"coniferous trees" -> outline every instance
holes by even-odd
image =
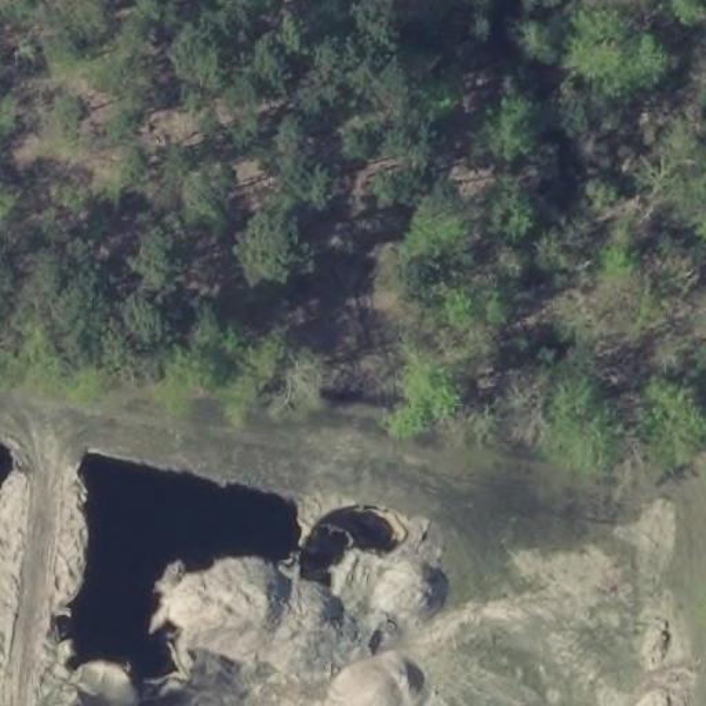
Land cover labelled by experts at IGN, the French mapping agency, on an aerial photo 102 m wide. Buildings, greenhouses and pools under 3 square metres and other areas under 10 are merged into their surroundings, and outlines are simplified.
[[[706,576],[689,596],[689,609],[700,618],[700,632],[706,637]]]
[[[596,91],[607,97],[621,94],[626,88],[659,83],[659,77],[667,72],[667,52],[648,33],[651,19],[659,11],[665,17],[678,17],[684,25],[698,22],[703,17],[700,0],[637,0],[643,6],[626,22],[618,19],[615,8],[596,14],[587,6],[574,22],[576,39],[571,41],[571,50],[554,50],[546,39],[546,30],[538,22],[524,25],[524,47],[535,58],[546,63],[574,66],[593,83]]]
[[[116,171],[108,177],[97,177],[99,190],[108,199],[119,199],[124,190],[135,190],[143,199],[149,199],[143,204],[143,212],[138,212],[138,229],[143,232],[141,248],[127,262],[130,270],[141,273],[138,290],[132,295],[127,295],[116,284],[116,273],[108,265],[108,251],[99,248],[99,243],[108,234],[108,223],[88,207],[88,199],[77,188],[66,185],[61,190],[61,201],[80,218],[66,232],[61,232],[55,215],[44,210],[39,232],[44,237],[52,237],[55,243],[47,254],[41,254],[33,262],[28,284],[11,276],[6,265],[6,259],[17,251],[19,240],[11,243],[0,234],[0,350],[11,350],[14,356],[19,356],[25,350],[25,323],[41,323],[44,336],[61,364],[72,359],[77,364],[77,372],[94,367],[108,370],[113,375],[119,372],[119,381],[127,381],[132,386],[157,386],[165,378],[165,364],[174,361],[174,353],[182,347],[201,359],[201,372],[212,375],[212,386],[229,386],[232,381],[237,381],[237,367],[248,359],[248,350],[254,345],[243,342],[234,328],[221,328],[207,301],[193,301],[193,290],[179,284],[182,265],[165,256],[174,240],[179,237],[179,226],[185,226],[190,218],[199,221],[215,215],[218,199],[226,199],[229,188],[237,182],[237,171],[229,171],[226,165],[196,171],[190,165],[185,143],[168,146],[163,188],[149,179],[146,163],[135,146],[121,152],[116,149]]]
[[[585,301],[554,298],[563,323],[554,331],[560,336],[574,339],[574,347],[565,353],[546,347],[541,350],[541,367],[510,370],[510,392],[507,397],[499,397],[494,403],[491,414],[463,411],[458,405],[455,392],[469,378],[494,370],[488,331],[496,323],[505,323],[507,317],[502,295],[521,276],[521,265],[513,248],[532,223],[532,207],[521,193],[518,177],[491,174],[491,182],[499,185],[499,199],[491,207],[491,237],[499,256],[485,268],[477,265],[472,256],[466,223],[450,212],[450,199],[461,199],[458,182],[447,174],[436,188],[425,185],[433,127],[441,113],[458,108],[466,113],[463,130],[474,138],[472,146],[477,154],[494,152],[499,157],[516,157],[530,149],[530,138],[535,138],[549,124],[563,124],[565,132],[585,130],[587,113],[576,99],[574,85],[565,83],[560,83],[560,88],[549,99],[527,102],[516,91],[513,80],[505,77],[502,105],[483,108],[472,102],[463,77],[452,83],[450,77],[447,85],[430,83],[422,72],[427,69],[430,58],[414,55],[411,50],[397,47],[394,41],[394,0],[359,0],[353,6],[353,19],[359,30],[350,39],[328,39],[320,47],[314,47],[301,39],[298,22],[292,17],[284,17],[281,30],[265,33],[259,41],[248,36],[248,25],[254,17],[276,14],[273,0],[221,0],[215,14],[207,11],[190,25],[177,11],[174,0],[135,0],[135,8],[127,14],[116,47],[102,58],[83,58],[74,44],[85,30],[97,33],[108,25],[105,0],[0,0],[0,14],[8,22],[28,19],[41,30],[39,44],[22,44],[17,52],[41,63],[47,61],[50,69],[58,69],[61,63],[69,63],[74,58],[88,69],[85,83],[91,83],[94,88],[105,88],[105,99],[110,105],[105,132],[108,141],[119,146],[121,135],[130,135],[135,130],[132,116],[149,99],[152,88],[149,77],[132,69],[132,58],[141,50],[146,50],[149,55],[157,52],[157,47],[146,39],[146,30],[149,22],[165,22],[177,36],[171,41],[168,61],[174,66],[174,74],[179,77],[179,108],[185,113],[199,110],[196,85],[210,85],[212,99],[218,99],[232,113],[240,113],[240,127],[232,135],[232,141],[240,146],[259,132],[259,99],[276,97],[273,85],[287,80],[290,72],[284,69],[284,63],[290,61],[290,55],[298,52],[301,58],[309,58],[314,63],[312,74],[303,80],[303,88],[298,91],[298,105],[292,105],[287,119],[279,124],[276,146],[254,160],[262,171],[273,177],[279,174],[279,182],[273,188],[265,188],[265,207],[259,210],[259,215],[248,221],[245,232],[237,237],[234,245],[234,254],[248,281],[284,281],[292,273],[314,270],[312,248],[301,237],[301,226],[292,215],[292,207],[301,201],[325,204],[328,196],[325,168],[306,152],[301,152],[298,143],[301,132],[306,132],[317,121],[320,110],[339,102],[353,116],[339,132],[345,157],[356,160],[367,154],[375,160],[381,152],[397,157],[397,174],[375,174],[370,179],[370,196],[375,196],[378,204],[405,204],[416,212],[411,232],[400,243],[383,248],[381,270],[375,276],[378,309],[386,323],[397,323],[400,356],[405,361],[405,400],[389,419],[389,427],[389,433],[400,438],[411,438],[425,430],[427,436],[438,438],[444,452],[461,452],[488,463],[499,461],[507,450],[513,455],[530,458],[541,452],[549,463],[568,469],[574,477],[640,477],[648,466],[656,472],[667,472],[676,463],[689,463],[700,472],[700,480],[706,477],[706,339],[689,339],[689,347],[678,356],[676,367],[656,364],[656,381],[640,400],[640,425],[607,425],[612,414],[612,400],[598,403],[593,397],[593,386],[598,383],[598,361],[593,356],[593,347],[607,334],[626,334],[637,339],[643,336],[643,331],[662,325],[670,314],[670,292],[676,287],[689,290],[698,281],[700,268],[706,265],[706,58],[698,63],[687,88],[687,105],[676,116],[667,110],[648,110],[637,121],[626,121],[623,116],[612,119],[607,141],[609,157],[601,160],[601,165],[607,168],[598,179],[590,179],[585,185],[576,212],[582,221],[590,223],[596,212],[604,212],[604,207],[618,207],[623,199],[634,196],[640,204],[654,201],[656,207],[665,207],[676,221],[692,226],[700,234],[698,245],[678,248],[670,237],[659,237],[662,254],[656,259],[662,265],[659,273],[648,276],[645,270],[632,265],[637,259],[637,243],[629,243],[629,234],[634,232],[634,223],[640,218],[621,218],[601,254],[598,287],[593,290],[593,295],[587,295]]]
[[[28,124],[30,138],[39,138],[41,124],[50,121],[55,130],[61,130],[61,135],[72,141],[77,121],[91,113],[91,105],[77,94],[61,97],[58,83],[50,69],[41,77],[14,83],[8,97],[0,102],[0,135],[6,135],[14,127],[14,119],[19,116]]]
[[[574,290],[576,273],[568,270],[571,256],[563,251],[560,237],[549,232],[538,243],[538,268],[552,273],[557,295],[563,295],[565,290]]]

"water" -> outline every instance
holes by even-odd
[[[130,678],[157,678],[174,670],[171,651],[179,640],[179,626],[168,621],[157,629],[149,626],[152,615],[160,607],[157,582],[163,579],[171,563],[182,563],[188,574],[196,574],[212,568],[218,560],[226,557],[259,557],[265,563],[281,563],[287,554],[295,554],[301,560],[301,576],[306,582],[328,585],[331,568],[345,557],[345,552],[364,549],[386,554],[394,549],[394,532],[370,507],[342,507],[323,516],[314,524],[309,541],[298,543],[301,527],[295,502],[281,499],[276,494],[265,494],[245,485],[218,485],[190,472],[163,472],[146,463],[130,463],[102,455],[85,455],[80,461],[80,472],[80,480],[85,483],[83,516],[88,524],[83,585],[69,601],[72,612],[52,618],[50,623],[52,637],[72,645],[72,654],[66,659],[69,670],[77,670],[88,662],[110,662],[119,665]]]

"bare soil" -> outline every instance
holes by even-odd
[[[163,472],[190,472],[218,485],[245,485],[265,494],[276,494],[281,499],[295,502],[301,527],[298,543],[309,541],[314,524],[323,516],[342,507],[370,507],[394,532],[394,549],[386,554],[364,549],[345,552],[345,557],[331,568],[328,585],[306,582],[301,576],[301,560],[295,554],[287,554],[281,563],[265,563],[259,557],[226,557],[218,560],[212,568],[196,574],[188,574],[182,563],[171,563],[163,579],[157,582],[160,607],[152,615],[149,626],[157,629],[168,621],[179,626],[179,640],[171,651],[174,670],[157,678],[130,678],[119,665],[110,662],[88,662],[77,670],[69,670],[66,659],[72,654],[72,645],[52,637],[50,623],[52,618],[72,612],[69,601],[83,585],[88,524],[83,516],[85,483],[80,480],[80,472],[69,463],[58,480],[50,480],[55,491],[55,541],[47,549],[41,596],[33,623],[33,659],[44,665],[41,687],[47,689],[47,698],[41,698],[39,706],[706,706],[706,637],[700,632],[700,618],[689,609],[689,596],[706,576],[706,477],[700,480],[700,472],[689,463],[676,463],[667,472],[656,472],[648,466],[640,477],[574,477],[568,469],[549,463],[541,452],[530,458],[513,455],[507,450],[499,461],[488,463],[461,452],[444,452],[438,438],[427,436],[425,430],[411,438],[400,438],[389,433],[389,427],[375,438],[345,427],[298,433],[284,419],[273,419],[270,411],[256,414],[251,408],[245,414],[243,427],[232,427],[223,405],[215,397],[196,394],[190,400],[190,414],[174,416],[154,400],[160,394],[157,386],[132,386],[127,381],[119,381],[110,386],[105,400],[94,397],[80,408],[72,405],[63,394],[44,394],[33,400],[33,394],[25,389],[25,381],[14,378],[3,381],[6,392],[0,394],[0,643],[11,634],[17,609],[17,576],[22,568],[22,541],[28,527],[25,477],[39,466],[39,461],[33,458],[30,430],[55,433],[58,444],[80,461],[85,455],[102,455],[130,463],[146,463]]]

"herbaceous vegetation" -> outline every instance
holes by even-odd
[[[706,295],[706,265],[700,268],[698,281],[689,290],[676,287],[670,292],[670,314],[662,325],[643,331],[643,336],[637,339],[626,334],[607,334],[593,347],[593,356],[598,361],[598,383],[593,386],[593,397],[598,403],[612,400],[612,414],[607,425],[640,425],[640,400],[656,381],[656,364],[656,345],[673,336],[687,336],[695,328],[698,301]]]
[[[359,0],[273,0],[276,14],[254,17],[248,25],[248,36],[259,41],[265,33],[281,30],[284,17],[292,17],[298,22],[301,39],[314,47],[320,47],[328,39],[350,39],[359,30],[353,19],[353,6]]]
[[[601,160],[609,157],[607,141],[612,119],[623,116],[626,121],[637,121],[648,110],[667,110],[676,116],[687,105],[687,88],[698,63],[706,58],[706,0],[700,0],[703,17],[698,22],[684,25],[678,17],[665,17],[659,11],[651,19],[648,33],[667,52],[667,72],[659,77],[659,83],[626,88],[621,94],[607,97],[596,91],[593,83],[574,66],[546,63],[535,58],[524,47],[524,25],[538,22],[546,30],[546,39],[554,50],[571,50],[571,41],[576,39],[574,22],[587,6],[596,14],[615,8],[618,19],[626,22],[643,6],[637,0],[394,0],[394,41],[397,47],[411,50],[414,55],[430,58],[427,69],[422,72],[430,83],[447,85],[450,77],[452,83],[463,77],[472,102],[483,108],[502,105],[505,77],[513,80],[516,91],[527,102],[549,99],[560,88],[560,83],[565,83],[574,85],[576,99],[587,113],[585,130],[565,132],[563,124],[549,124],[535,138],[530,138],[530,149],[516,157],[499,157],[494,152],[477,154],[472,146],[474,138],[463,130],[466,113],[458,108],[441,113],[433,127],[425,185],[436,188],[447,174],[458,182],[461,199],[450,199],[450,212],[466,223],[472,256],[477,265],[485,268],[499,256],[491,237],[491,207],[499,199],[499,185],[491,182],[491,174],[518,177],[521,193],[532,207],[532,223],[513,248],[521,265],[521,276],[502,295],[507,317],[505,323],[496,323],[488,331],[494,370],[469,378],[455,392],[458,405],[463,411],[491,414],[494,403],[499,397],[507,397],[510,392],[510,370],[541,367],[541,350],[546,347],[565,353],[574,347],[574,339],[560,336],[554,331],[563,323],[554,298],[585,301],[587,295],[593,295],[593,290],[598,287],[601,254],[621,218],[640,218],[634,223],[634,232],[629,234],[629,243],[637,243],[637,259],[632,265],[645,270],[648,276],[659,273],[662,265],[656,259],[662,254],[659,237],[670,237],[678,248],[698,245],[700,234],[692,226],[676,221],[665,207],[656,207],[654,201],[640,204],[634,196],[623,199],[618,207],[604,207],[604,212],[596,212],[590,223],[582,221],[576,212],[585,185],[590,179],[598,179],[607,168],[601,165]],[[563,251],[571,256],[568,270],[576,273],[574,290],[565,290],[563,295],[557,295],[552,273],[538,268],[538,243],[549,232],[560,237]]]
[[[196,85],[199,110],[185,113],[179,108],[179,77],[174,74],[174,66],[168,61],[171,41],[177,36],[165,22],[149,22],[146,30],[146,39],[157,47],[157,52],[149,55],[146,50],[141,50],[132,58],[132,69],[149,77],[152,88],[149,99],[132,116],[135,130],[130,135],[121,135],[119,146],[108,141],[105,132],[110,105],[105,99],[105,88],[94,88],[85,91],[83,83],[58,83],[61,97],[77,94],[91,105],[91,113],[77,121],[72,141],[61,135],[61,130],[55,130],[50,121],[41,124],[39,138],[30,138],[28,124],[19,116],[14,119],[14,127],[6,135],[0,135],[0,234],[11,243],[19,240],[17,251],[6,259],[6,265],[11,276],[28,284],[33,262],[41,254],[47,254],[55,243],[52,237],[44,237],[39,232],[44,210],[55,215],[61,232],[66,232],[80,218],[61,201],[61,190],[66,185],[77,188],[88,199],[88,207],[108,223],[108,234],[99,243],[99,248],[108,251],[108,265],[116,273],[116,284],[127,295],[132,295],[138,290],[141,273],[130,270],[127,262],[141,248],[143,232],[138,229],[138,212],[143,212],[143,204],[149,199],[143,199],[135,190],[124,190],[119,199],[108,199],[99,190],[97,177],[108,177],[116,171],[116,149],[121,152],[135,146],[146,163],[149,179],[163,188],[168,146],[185,143],[190,165],[196,171],[226,165],[229,171],[237,171],[237,182],[229,188],[226,199],[218,199],[215,215],[199,221],[190,218],[185,226],[179,226],[179,237],[174,240],[165,256],[182,265],[179,284],[193,290],[193,301],[207,301],[221,328],[234,328],[243,342],[254,345],[262,345],[276,328],[284,334],[287,347],[309,347],[323,356],[325,389],[320,394],[320,408],[312,411],[306,419],[284,419],[298,433],[345,427],[375,438],[389,427],[389,419],[405,400],[405,361],[400,356],[397,323],[386,323],[378,309],[375,276],[381,270],[383,248],[400,243],[411,232],[416,212],[405,204],[378,204],[375,196],[370,196],[370,179],[375,174],[397,174],[397,157],[381,152],[375,160],[367,154],[356,160],[345,157],[339,132],[353,116],[339,102],[320,110],[317,121],[306,132],[301,132],[298,143],[301,152],[306,152],[325,168],[328,196],[325,204],[301,201],[292,207],[292,215],[301,226],[301,237],[312,248],[314,270],[292,273],[284,281],[248,281],[234,254],[234,245],[237,237],[245,232],[248,221],[259,215],[259,210],[265,207],[265,188],[273,188],[279,182],[279,174],[273,177],[262,171],[254,160],[276,146],[279,124],[287,119],[292,105],[298,105],[298,91],[303,88],[303,80],[312,74],[314,63],[309,58],[301,58],[298,52],[290,55],[290,61],[284,63],[284,69],[290,72],[287,80],[273,85],[276,97],[259,99],[259,132],[240,146],[232,141],[232,135],[240,127],[240,113],[232,113],[218,99],[212,99],[210,85]]]
[[[127,14],[135,8],[135,0],[105,0],[108,25],[97,33],[85,30],[74,44],[83,58],[102,58],[116,47]]]
[[[251,408],[256,414],[270,411],[276,394],[287,386],[284,378],[276,375],[259,389],[256,403]]]
[[[41,77],[50,69],[47,61],[41,63],[17,52],[22,44],[39,44],[41,30],[28,19],[8,22],[0,14],[0,102],[8,97],[14,83]]]
[[[215,14],[221,0],[174,0],[177,11],[190,25],[207,11]]]

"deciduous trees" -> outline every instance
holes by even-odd
[[[689,347],[689,339],[706,339],[706,295],[698,301],[695,328],[687,336],[673,336],[656,345],[656,364],[676,367],[678,356]]]
[[[237,367],[237,381],[232,381],[229,386],[212,386],[212,375],[201,372],[201,359],[182,347],[174,353],[174,361],[165,364],[165,378],[157,386],[160,394],[154,400],[174,416],[190,414],[190,400],[196,394],[215,397],[223,405],[232,427],[243,427],[245,414],[251,408],[256,403],[259,389],[276,375],[284,378],[287,386],[276,394],[270,411],[273,419],[284,419],[306,419],[312,411],[320,408],[320,394],[325,389],[323,356],[309,347],[287,347],[284,334],[276,328],[262,345],[254,345],[248,350],[248,359]]]
[[[91,83],[85,83],[88,69],[74,58],[69,63],[61,63],[58,69],[50,69],[58,83],[83,83],[85,91],[94,88]]]
[[[72,359],[61,364],[44,336],[41,323],[25,323],[25,350],[19,356],[14,356],[11,350],[0,350],[0,394],[6,392],[3,381],[14,378],[25,381],[25,389],[33,394],[33,400],[44,394],[63,394],[72,405],[80,408],[94,397],[105,400],[110,386],[119,381],[119,372],[113,375],[108,370],[94,367],[77,372],[77,364]]]

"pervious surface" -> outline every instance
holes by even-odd
[[[30,430],[33,458],[39,461],[39,466],[25,477],[28,527],[22,541],[22,568],[17,576],[17,609],[11,634],[0,643],[0,706],[39,706],[41,698],[47,698],[47,689],[41,687],[44,665],[33,659],[33,623],[41,596],[47,549],[55,541],[55,491],[50,480],[58,480],[69,463],[80,472],[80,461],[58,444],[55,433]]]

